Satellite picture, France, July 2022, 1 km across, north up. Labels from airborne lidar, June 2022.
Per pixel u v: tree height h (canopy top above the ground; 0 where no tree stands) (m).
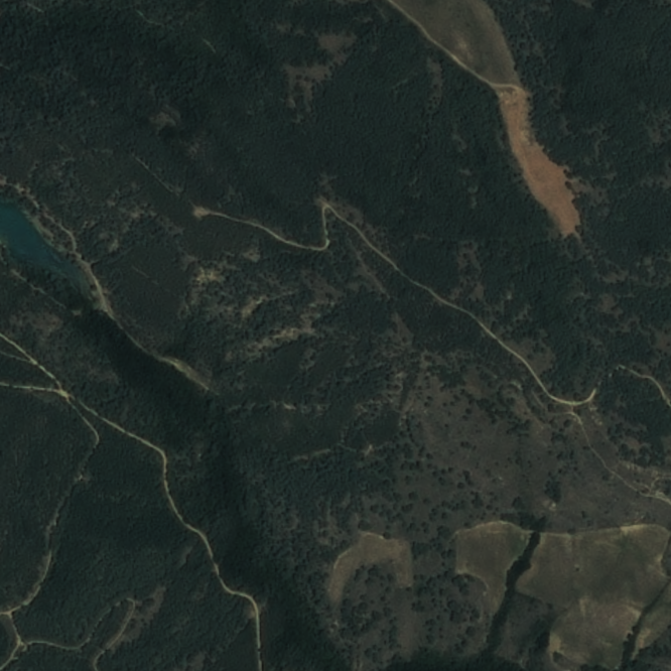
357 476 11
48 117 12
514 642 0
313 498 10
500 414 11
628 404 12
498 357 7
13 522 8
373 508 7
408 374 7
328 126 8
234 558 16
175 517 6
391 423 8
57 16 6
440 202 12
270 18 10
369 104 13
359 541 0
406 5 0
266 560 9
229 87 12
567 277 11
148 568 10
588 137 10
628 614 0
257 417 6
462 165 14
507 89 0
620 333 8
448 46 0
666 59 12
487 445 0
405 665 7
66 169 9
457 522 0
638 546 0
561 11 12
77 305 14
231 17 7
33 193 11
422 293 10
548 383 11
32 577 8
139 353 15
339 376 11
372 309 10
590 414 0
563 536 0
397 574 0
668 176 10
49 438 8
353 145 11
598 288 12
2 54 16
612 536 0
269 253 12
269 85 11
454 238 12
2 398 11
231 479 12
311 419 10
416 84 9
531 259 10
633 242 12
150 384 13
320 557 9
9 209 0
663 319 12
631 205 12
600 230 9
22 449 10
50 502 8
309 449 8
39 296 12
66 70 13
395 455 11
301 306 8
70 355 7
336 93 12
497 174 11
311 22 10
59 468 7
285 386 9
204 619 13
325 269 9
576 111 8
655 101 14
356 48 10
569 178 11
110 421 10
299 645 10
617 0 12
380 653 7
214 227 7
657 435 12
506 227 11
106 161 5
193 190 8
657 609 0
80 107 14
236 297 9
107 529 15
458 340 11
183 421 10
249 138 10
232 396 6
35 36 8
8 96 6
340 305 8
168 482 8
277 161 9
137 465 12
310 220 9
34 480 9
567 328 10
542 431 0
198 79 16
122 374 12
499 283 13
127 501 10
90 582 9
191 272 8
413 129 12
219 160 8
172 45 8
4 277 7
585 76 14
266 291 6
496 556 0
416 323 6
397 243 7
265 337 8
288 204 7
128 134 13
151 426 9
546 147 9
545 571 0
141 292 8
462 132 10
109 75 13
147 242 6
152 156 11
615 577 0
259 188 12
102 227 10
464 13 0
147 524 13
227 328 10
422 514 0
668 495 9
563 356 15
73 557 13
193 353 11
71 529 14
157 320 8
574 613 0
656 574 0
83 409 11
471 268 11
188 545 12
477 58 0
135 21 10
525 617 0
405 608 0
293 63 9
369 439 7
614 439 7
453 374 10
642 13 14
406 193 12
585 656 0
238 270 7
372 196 8
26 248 0
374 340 8
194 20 8
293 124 6
